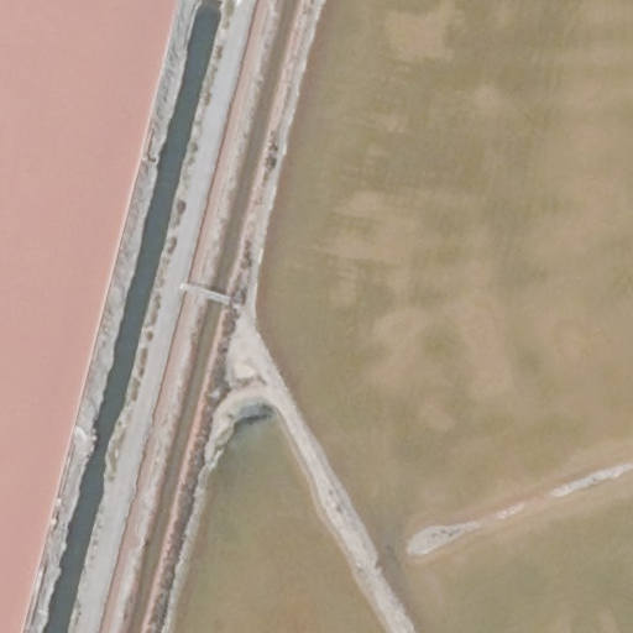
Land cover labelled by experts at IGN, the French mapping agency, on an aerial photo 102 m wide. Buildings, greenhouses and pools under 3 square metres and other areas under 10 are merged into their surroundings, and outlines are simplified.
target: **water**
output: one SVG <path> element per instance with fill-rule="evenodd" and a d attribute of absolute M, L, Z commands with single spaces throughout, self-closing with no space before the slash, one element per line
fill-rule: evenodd
<path fill-rule="evenodd" d="M 121 633 L 138 633 L 163 544 L 163 532 L 171 514 L 183 450 L 193 425 L 193 413 L 220 304 L 227 304 L 230 299 L 223 294 L 225 287 L 235 262 L 242 220 L 247 215 L 257 158 L 272 114 L 287 40 L 299 0 L 279 0 L 274 37 L 262 64 L 262 82 L 252 109 L 252 124 L 240 158 L 235 190 L 230 193 L 227 220 L 220 235 L 220 255 L 215 260 L 210 292 L 205 297 L 208 302 L 198 317 L 198 326 L 193 334 L 181 408 L 173 423 L 171 445 L 166 452 L 166 465 L 156 492 L 156 507 L 136 569 L 136 584 L 126 603 Z"/>
<path fill-rule="evenodd" d="M 299 465 L 299 448 L 287 433 L 282 415 L 272 406 L 260 403 L 242 408 L 240 418 L 225 435 L 223 455 L 213 470 L 208 477 L 205 507 L 188 556 L 185 581 L 178 596 L 171 633 L 388 633 L 376 606 L 354 579 L 351 561 L 341 546 L 341 539 L 321 519 L 314 504 L 309 477 L 302 472 Z"/>
<path fill-rule="evenodd" d="M 64 438 L 69 430 L 74 430 L 77 438 L 87 435 L 84 428 L 72 428 L 74 396 L 82 381 L 89 339 L 94 336 L 91 329 L 99 309 L 99 294 L 104 287 L 111 245 L 121 218 L 131 166 L 138 151 L 143 116 L 151 106 L 151 96 L 156 94 L 153 84 L 161 77 L 158 67 L 166 57 L 163 47 L 168 27 L 176 27 L 176 0 L 0 0 L 0 633 L 17 633 L 20 626 L 27 626 L 22 606 L 32 581 L 32 564 L 37 556 L 42 524 L 47 519 L 47 504 L 52 497 L 57 497 L 52 492 L 52 485 L 62 457 Z"/>
<path fill-rule="evenodd" d="M 168 136 L 158 156 L 156 188 L 143 223 L 136 272 L 124 302 L 124 317 L 114 344 L 114 363 L 106 376 L 99 413 L 94 418 L 94 448 L 82 475 L 79 499 L 67 529 L 67 546 L 59 559 L 59 576 L 52 591 L 49 616 L 42 633 L 67 633 L 72 608 L 77 601 L 79 579 L 84 571 L 91 529 L 104 497 L 104 460 L 109 438 L 126 403 L 126 386 L 136 359 L 143 317 L 156 282 L 166 232 L 171 225 L 171 203 L 178 190 L 203 79 L 220 25 L 218 0 L 203 0 L 190 30 L 183 82 L 168 124 Z"/>
<path fill-rule="evenodd" d="M 351 504 L 376 549 L 376 564 L 381 569 L 381 576 L 403 606 L 415 633 L 633 633 L 633 472 L 626 472 L 613 480 L 601 480 L 569 497 L 554 497 L 551 490 L 621 462 L 633 462 L 633 0 L 326 0 L 321 7 L 321 17 L 317 22 L 307 72 L 302 77 L 299 101 L 289 129 L 289 146 L 279 173 L 274 205 L 270 213 L 257 284 L 257 331 L 307 430 L 319 443 L 331 472 L 351 497 Z M 420 529 L 435 524 L 443 529 L 448 544 L 430 554 L 408 554 L 408 542 Z"/>

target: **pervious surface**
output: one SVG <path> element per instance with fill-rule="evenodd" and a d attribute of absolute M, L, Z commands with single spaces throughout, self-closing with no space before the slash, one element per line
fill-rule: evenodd
<path fill-rule="evenodd" d="M 237 324 L 230 339 L 225 373 L 230 383 L 230 396 L 218 406 L 213 430 L 205 445 L 205 467 L 213 470 L 223 455 L 225 435 L 240 418 L 242 408 L 260 403 L 272 406 L 282 415 L 287 433 L 299 448 L 299 465 L 302 472 L 309 477 L 314 504 L 321 519 L 341 539 L 341 546 L 351 561 L 354 579 L 376 606 L 388 633 L 415 633 L 403 606 L 381 576 L 381 569 L 376 564 L 376 549 L 351 504 L 351 497 L 331 472 L 319 443 L 307 430 L 257 331 L 257 284 L 270 213 L 274 205 L 279 173 L 289 146 L 289 129 L 299 101 L 302 77 L 307 72 L 317 22 L 321 17 L 321 7 L 326 0 L 299 0 L 287 40 L 272 114 L 257 158 L 247 215 L 242 220 L 235 262 L 225 287 L 235 289 L 237 279 L 242 279 L 242 287 L 247 289 L 247 302 L 235 307 Z"/>
<path fill-rule="evenodd" d="M 430 554 L 448 544 L 443 529 L 435 524 L 420 529 L 408 542 L 408 554 Z"/>
<path fill-rule="evenodd" d="M 554 497 L 569 497 L 601 480 L 613 480 L 626 472 L 633 472 L 633 462 L 621 462 L 551 490 Z"/>
<path fill-rule="evenodd" d="M 262 64 L 274 37 L 279 0 L 218 0 L 220 25 L 203 79 L 178 190 L 171 203 L 171 225 L 166 232 L 156 282 L 143 317 L 136 359 L 126 386 L 126 403 L 109 438 L 104 460 L 104 497 L 91 529 L 84 571 L 79 579 L 77 601 L 72 608 L 67 633 L 121 633 L 126 603 L 136 584 L 136 569 L 156 507 L 156 492 L 166 465 L 166 452 L 171 445 L 173 423 L 181 408 L 193 334 L 198 326 L 198 317 L 208 302 L 205 297 L 210 292 L 215 260 L 220 255 L 220 235 L 227 220 L 230 193 L 235 190 L 240 158 L 252 124 L 252 109 L 262 82 Z"/>
<path fill-rule="evenodd" d="M 99 413 L 106 376 L 114 363 L 114 344 L 124 317 L 124 302 L 136 272 L 143 223 L 156 188 L 158 156 L 168 136 L 168 124 L 183 82 L 190 30 L 203 0 L 176 0 L 176 27 L 168 27 L 163 47 L 166 57 L 158 67 L 161 77 L 153 84 L 156 94 L 151 96 L 151 106 L 143 116 L 138 151 L 131 166 L 121 218 L 111 245 L 104 287 L 99 294 L 99 309 L 91 329 L 94 336 L 89 339 L 82 381 L 74 396 L 72 428 L 84 428 L 87 435 L 77 438 L 74 430 L 69 430 L 64 438 L 62 457 L 52 485 L 52 492 L 57 497 L 52 497 L 47 504 L 47 519 L 42 524 L 37 556 L 32 564 L 32 581 L 22 606 L 27 626 L 20 626 L 17 633 L 42 633 L 49 616 L 52 591 L 59 576 L 59 559 L 67 546 L 67 529 L 79 499 L 82 475 L 94 448 L 94 418 Z"/>

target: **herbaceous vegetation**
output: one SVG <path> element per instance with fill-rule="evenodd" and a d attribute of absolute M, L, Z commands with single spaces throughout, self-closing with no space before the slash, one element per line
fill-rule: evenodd
<path fill-rule="evenodd" d="M 242 287 L 242 279 L 237 279 L 235 289 L 225 287 L 223 294 L 230 299 L 227 304 L 220 304 L 193 413 L 193 425 L 183 450 L 171 514 L 163 532 L 163 544 L 138 633 L 171 633 L 178 596 L 185 581 L 188 556 L 205 507 L 208 477 L 213 470 L 205 467 L 205 445 L 213 430 L 218 406 L 230 396 L 230 383 L 225 373 L 230 339 L 237 324 L 235 307 L 247 302 L 247 289 Z"/>

